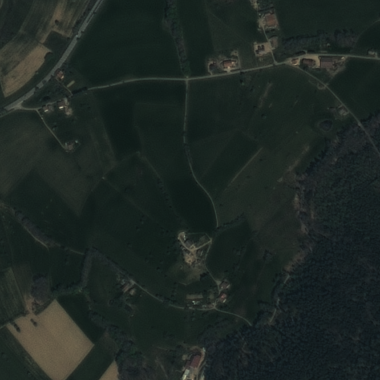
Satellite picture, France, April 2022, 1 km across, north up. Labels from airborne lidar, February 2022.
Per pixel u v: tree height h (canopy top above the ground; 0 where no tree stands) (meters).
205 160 0
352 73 0
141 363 33
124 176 0
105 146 0
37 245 0
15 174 0
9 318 0
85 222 0
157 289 0
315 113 0
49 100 17
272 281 0
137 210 0
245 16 0
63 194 0
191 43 0
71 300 0
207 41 0
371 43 0
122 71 0
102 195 0
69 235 0
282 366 28
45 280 25
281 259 0
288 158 0
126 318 0
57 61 0
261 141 0
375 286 17
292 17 0
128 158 0
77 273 0
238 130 0
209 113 0
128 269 0
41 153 0
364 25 0
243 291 0
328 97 0
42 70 0
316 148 0
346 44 23
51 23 0
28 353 0
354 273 23
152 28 0
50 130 0
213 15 0
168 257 0
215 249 0
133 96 0
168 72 0
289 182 0
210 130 0
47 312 0
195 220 0
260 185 0
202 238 0
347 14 0
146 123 0
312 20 0
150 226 0
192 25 0
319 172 21
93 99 0
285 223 0
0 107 0
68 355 0
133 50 0
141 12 0
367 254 23
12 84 0
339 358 23
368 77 0
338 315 18
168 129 0
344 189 19
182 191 0
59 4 0
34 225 20
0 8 0
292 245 0
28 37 0
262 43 0
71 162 0
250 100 0
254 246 0
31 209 0
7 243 0
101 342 0
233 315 0
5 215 0
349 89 0
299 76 0
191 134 0
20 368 0
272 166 0
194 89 0
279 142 0
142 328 0
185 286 0
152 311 0
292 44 19
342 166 10
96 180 0
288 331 30
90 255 18
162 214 0
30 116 0
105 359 0
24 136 0
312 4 0
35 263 0
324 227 20
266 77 0
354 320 23
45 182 0
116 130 0
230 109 0
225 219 0
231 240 0
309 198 16
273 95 0
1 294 0
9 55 0
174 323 0
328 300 27
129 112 0
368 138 16
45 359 0
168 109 0
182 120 0
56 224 0
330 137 0
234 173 0
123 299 21
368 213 13
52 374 0
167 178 0
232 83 0
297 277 16
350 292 20
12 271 0
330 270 30
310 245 11
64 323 0
